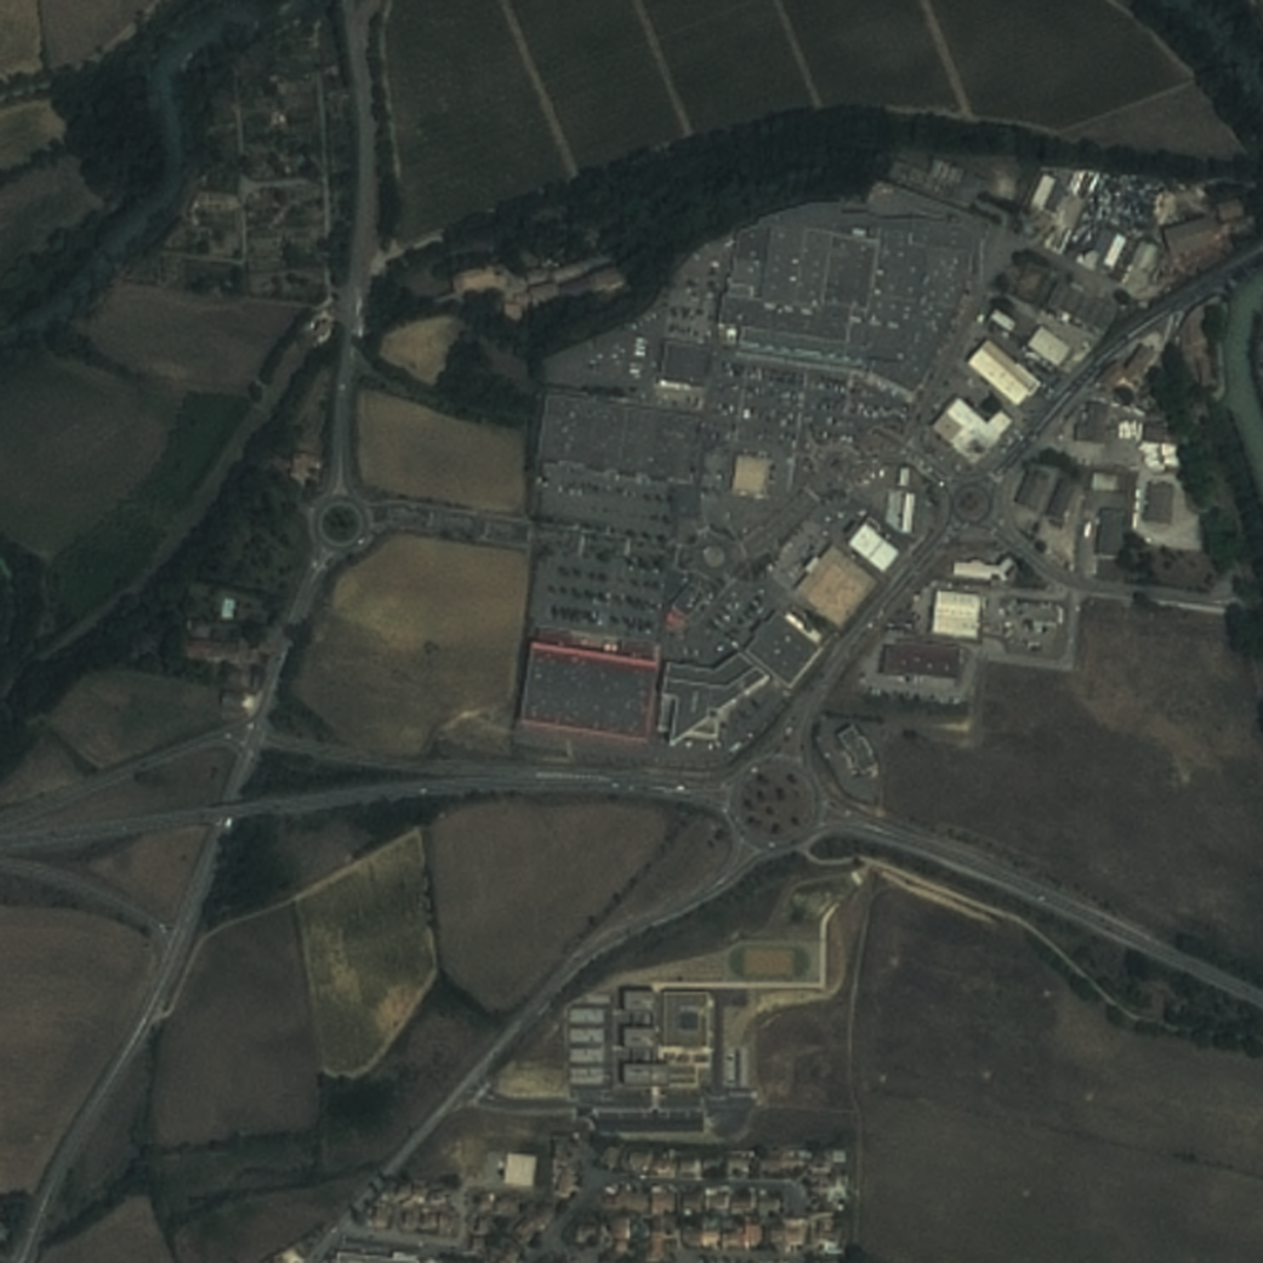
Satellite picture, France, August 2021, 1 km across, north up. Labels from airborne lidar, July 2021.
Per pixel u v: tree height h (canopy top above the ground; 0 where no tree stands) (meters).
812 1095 0
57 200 0
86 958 0
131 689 0
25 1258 0
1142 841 0
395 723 0
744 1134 0
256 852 12
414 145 0
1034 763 0
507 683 0
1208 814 0
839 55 0
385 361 11
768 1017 0
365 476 0
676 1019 0
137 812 0
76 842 0
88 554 7
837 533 0
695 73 0
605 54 0
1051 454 10
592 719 0
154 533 6
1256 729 0
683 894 0
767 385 0
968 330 0
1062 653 0
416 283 0
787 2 0
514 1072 0
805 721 0
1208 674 0
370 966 0
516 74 0
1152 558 8
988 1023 0
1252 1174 0
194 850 0
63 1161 0
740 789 0
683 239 15
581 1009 0
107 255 0
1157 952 0
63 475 0
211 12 14
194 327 0
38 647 7
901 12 0
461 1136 0
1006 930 0
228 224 0
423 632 0
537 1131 0
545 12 0
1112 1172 0
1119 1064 0
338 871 0
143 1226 0
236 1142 9
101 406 0
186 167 9
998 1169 0
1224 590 0
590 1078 0
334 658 0
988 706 0
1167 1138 0
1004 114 0
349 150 9
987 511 0
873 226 0
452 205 0
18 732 9
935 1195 0
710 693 0
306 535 0
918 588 0
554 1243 0
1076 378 0
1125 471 0
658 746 0
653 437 0
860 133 17
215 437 6
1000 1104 0
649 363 0
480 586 0
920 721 0
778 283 0
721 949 0
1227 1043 11
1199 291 0
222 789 0
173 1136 0
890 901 0
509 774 0
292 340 7
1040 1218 0
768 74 0
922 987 0
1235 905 0
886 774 0
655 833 0
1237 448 7
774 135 18
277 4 0
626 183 21
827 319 0
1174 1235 0
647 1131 0
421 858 0
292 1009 0
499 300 9
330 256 13
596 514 0
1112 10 0
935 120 12
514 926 0
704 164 12
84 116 13
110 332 0
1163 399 11
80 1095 0
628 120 0
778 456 0
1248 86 15
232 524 25
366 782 9
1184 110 0
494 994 0
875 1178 0
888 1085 0
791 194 8
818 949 0
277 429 7
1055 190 0
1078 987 9
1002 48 0
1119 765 0
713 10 0
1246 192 9
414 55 0
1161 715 0
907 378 0
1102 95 0
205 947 0
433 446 0
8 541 8
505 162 0
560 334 14
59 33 0
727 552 0
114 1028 0
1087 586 0
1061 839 0
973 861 0
